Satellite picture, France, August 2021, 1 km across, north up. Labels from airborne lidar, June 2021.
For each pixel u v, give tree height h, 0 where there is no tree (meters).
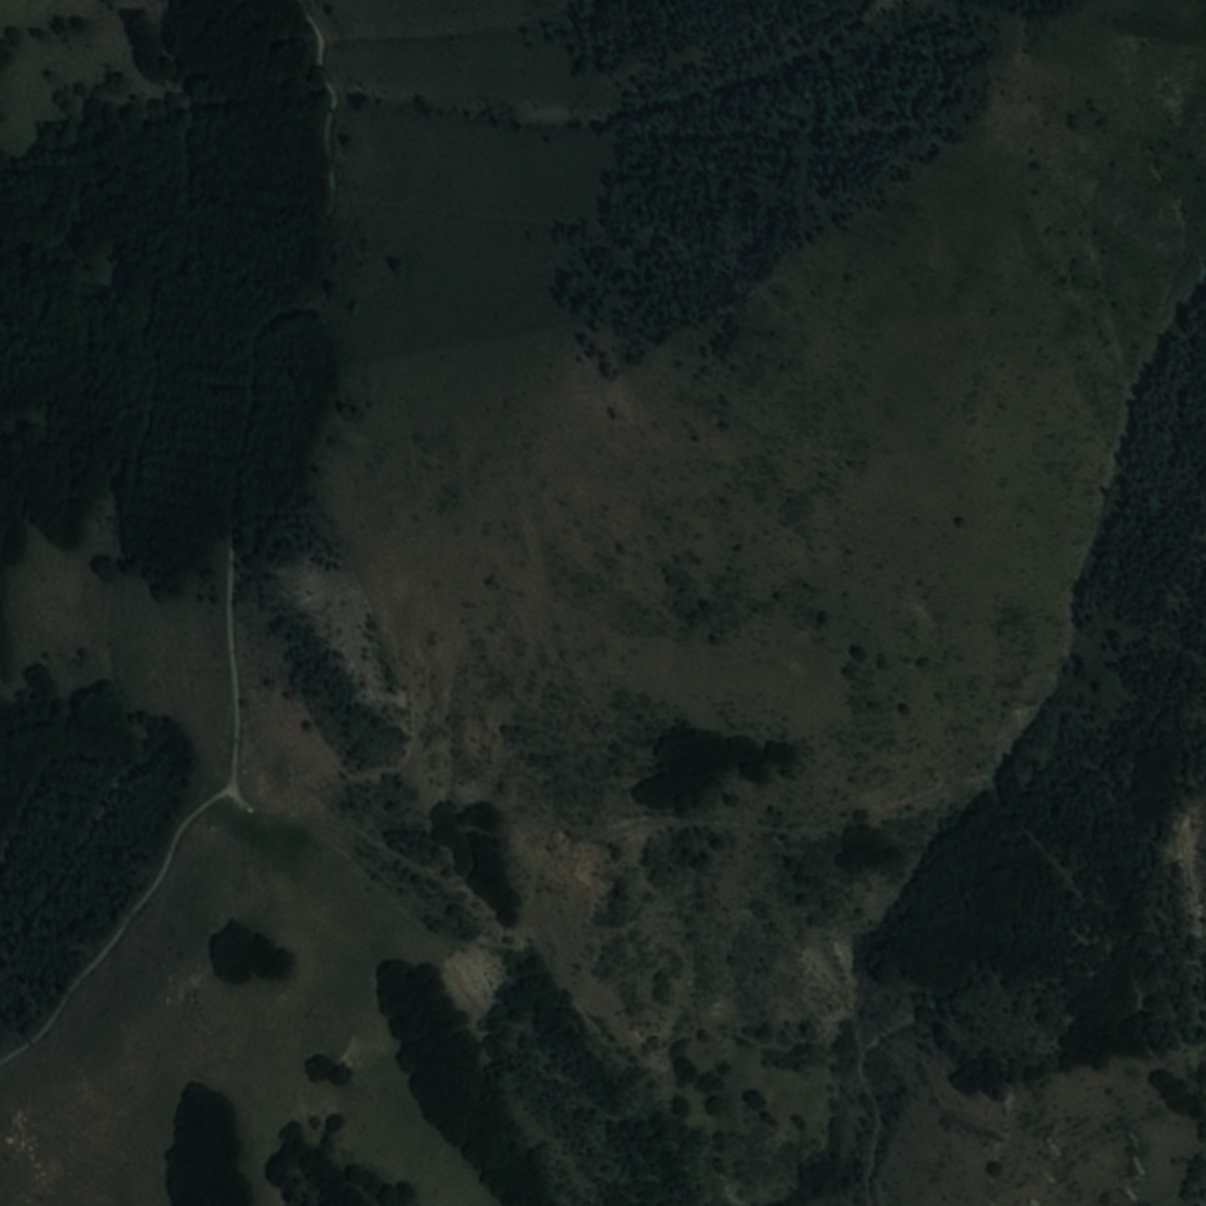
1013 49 0
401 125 0
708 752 15
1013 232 0
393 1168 0
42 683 22
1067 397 0
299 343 14
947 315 0
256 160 15
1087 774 6
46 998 13
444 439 0
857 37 16
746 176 16
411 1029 28
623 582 0
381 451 0
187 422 12
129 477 15
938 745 0
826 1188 12
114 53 0
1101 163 0
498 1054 13
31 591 0
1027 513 0
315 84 15
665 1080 0
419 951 0
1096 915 10
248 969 18
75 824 10
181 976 0
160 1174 0
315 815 0
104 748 18
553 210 0
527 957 6
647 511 0
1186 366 19
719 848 21
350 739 7
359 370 0
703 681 0
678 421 0
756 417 0
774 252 7
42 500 21
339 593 0
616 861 8
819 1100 0
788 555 0
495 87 0
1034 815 12
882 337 0
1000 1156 0
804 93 13
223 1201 17
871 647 0
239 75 16
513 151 0
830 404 0
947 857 10
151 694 0
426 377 0
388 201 0
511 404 0
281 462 13
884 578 0
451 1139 16
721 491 0
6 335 22
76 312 19
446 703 0
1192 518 11
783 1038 7
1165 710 7
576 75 7
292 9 15
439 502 0
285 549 10
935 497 0
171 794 7
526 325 0
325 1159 15
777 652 0
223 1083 0
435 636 0
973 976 13
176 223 19
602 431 0
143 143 16
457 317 0
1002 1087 10
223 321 13
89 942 12
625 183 13
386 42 0
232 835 0
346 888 0
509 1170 19
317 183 14
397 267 11
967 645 0
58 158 16
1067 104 0
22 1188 0
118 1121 0
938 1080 0
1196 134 0
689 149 14
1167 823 9
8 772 20
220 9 17
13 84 0
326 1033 0
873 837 12
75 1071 0
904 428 0
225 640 0
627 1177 9
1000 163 0
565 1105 6
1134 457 20
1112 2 0
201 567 10
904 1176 0
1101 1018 18
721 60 13
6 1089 0
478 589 0
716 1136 7
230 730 0
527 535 0
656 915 0
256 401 11
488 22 0
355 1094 0
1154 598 9
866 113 15
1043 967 12
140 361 20
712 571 0
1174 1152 0
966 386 0
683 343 0
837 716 0
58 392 17
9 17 0
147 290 15
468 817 11
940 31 10
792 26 12
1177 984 17
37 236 7
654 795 14
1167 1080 15
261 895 0
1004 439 0
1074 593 0
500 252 0
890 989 13
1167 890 10
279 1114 0
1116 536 18
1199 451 17
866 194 8
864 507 0
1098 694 15
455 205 0
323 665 7
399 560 0
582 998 0
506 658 0
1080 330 0
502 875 11
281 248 14
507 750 0
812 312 0
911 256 0
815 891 10
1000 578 0
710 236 7
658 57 14
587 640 0
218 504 18
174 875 0
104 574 15
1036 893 12
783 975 0
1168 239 0
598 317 9
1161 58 0
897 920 9
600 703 0
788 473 0
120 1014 0
